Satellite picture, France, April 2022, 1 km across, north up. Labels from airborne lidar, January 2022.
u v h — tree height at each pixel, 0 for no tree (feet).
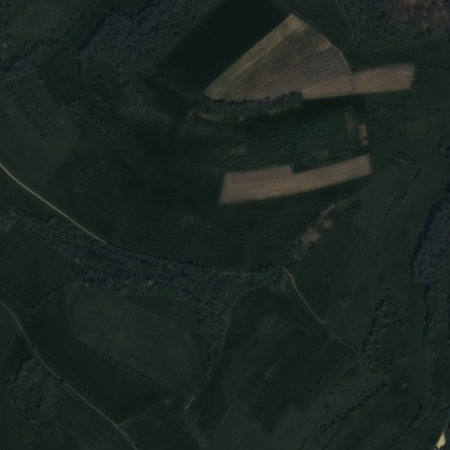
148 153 0
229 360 0
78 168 0
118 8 0
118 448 0
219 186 0
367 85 0
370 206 0
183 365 0
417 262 67
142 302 0
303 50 0
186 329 0
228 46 0
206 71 0
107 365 0
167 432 0
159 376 0
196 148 0
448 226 104
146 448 0
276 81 0
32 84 0
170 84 41
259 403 0
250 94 0
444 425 41
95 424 0
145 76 0
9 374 0
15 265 0
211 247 0
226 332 66
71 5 0
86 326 0
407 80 0
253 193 0
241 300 0
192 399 0
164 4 82
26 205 0
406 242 0
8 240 0
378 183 0
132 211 0
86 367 0
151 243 0
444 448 21
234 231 0
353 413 34
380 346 53
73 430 0
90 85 0
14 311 0
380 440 0
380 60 0
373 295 0
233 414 0
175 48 0
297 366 0
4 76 65
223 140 0
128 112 0
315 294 0
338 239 0
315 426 0
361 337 0
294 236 0
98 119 0
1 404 0
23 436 0
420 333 0
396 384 0
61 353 0
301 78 0
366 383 0
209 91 0
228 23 0
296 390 0
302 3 0
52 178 0
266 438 0
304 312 0
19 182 0
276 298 0
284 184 0
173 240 0
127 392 0
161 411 0
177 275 104
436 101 0
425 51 0
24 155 0
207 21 0
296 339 0
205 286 65
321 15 0
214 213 0
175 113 0
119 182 0
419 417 33
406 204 0
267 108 69
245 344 0
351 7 65
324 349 0
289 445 0
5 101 0
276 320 0
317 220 31
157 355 0
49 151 0
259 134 0
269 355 0
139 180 0
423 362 0
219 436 0
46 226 78
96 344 0
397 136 0
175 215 0
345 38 0
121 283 72
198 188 0
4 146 0
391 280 0
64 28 0
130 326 0
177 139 0
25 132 0
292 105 50
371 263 0
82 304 0
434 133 0
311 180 0
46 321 0
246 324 0
